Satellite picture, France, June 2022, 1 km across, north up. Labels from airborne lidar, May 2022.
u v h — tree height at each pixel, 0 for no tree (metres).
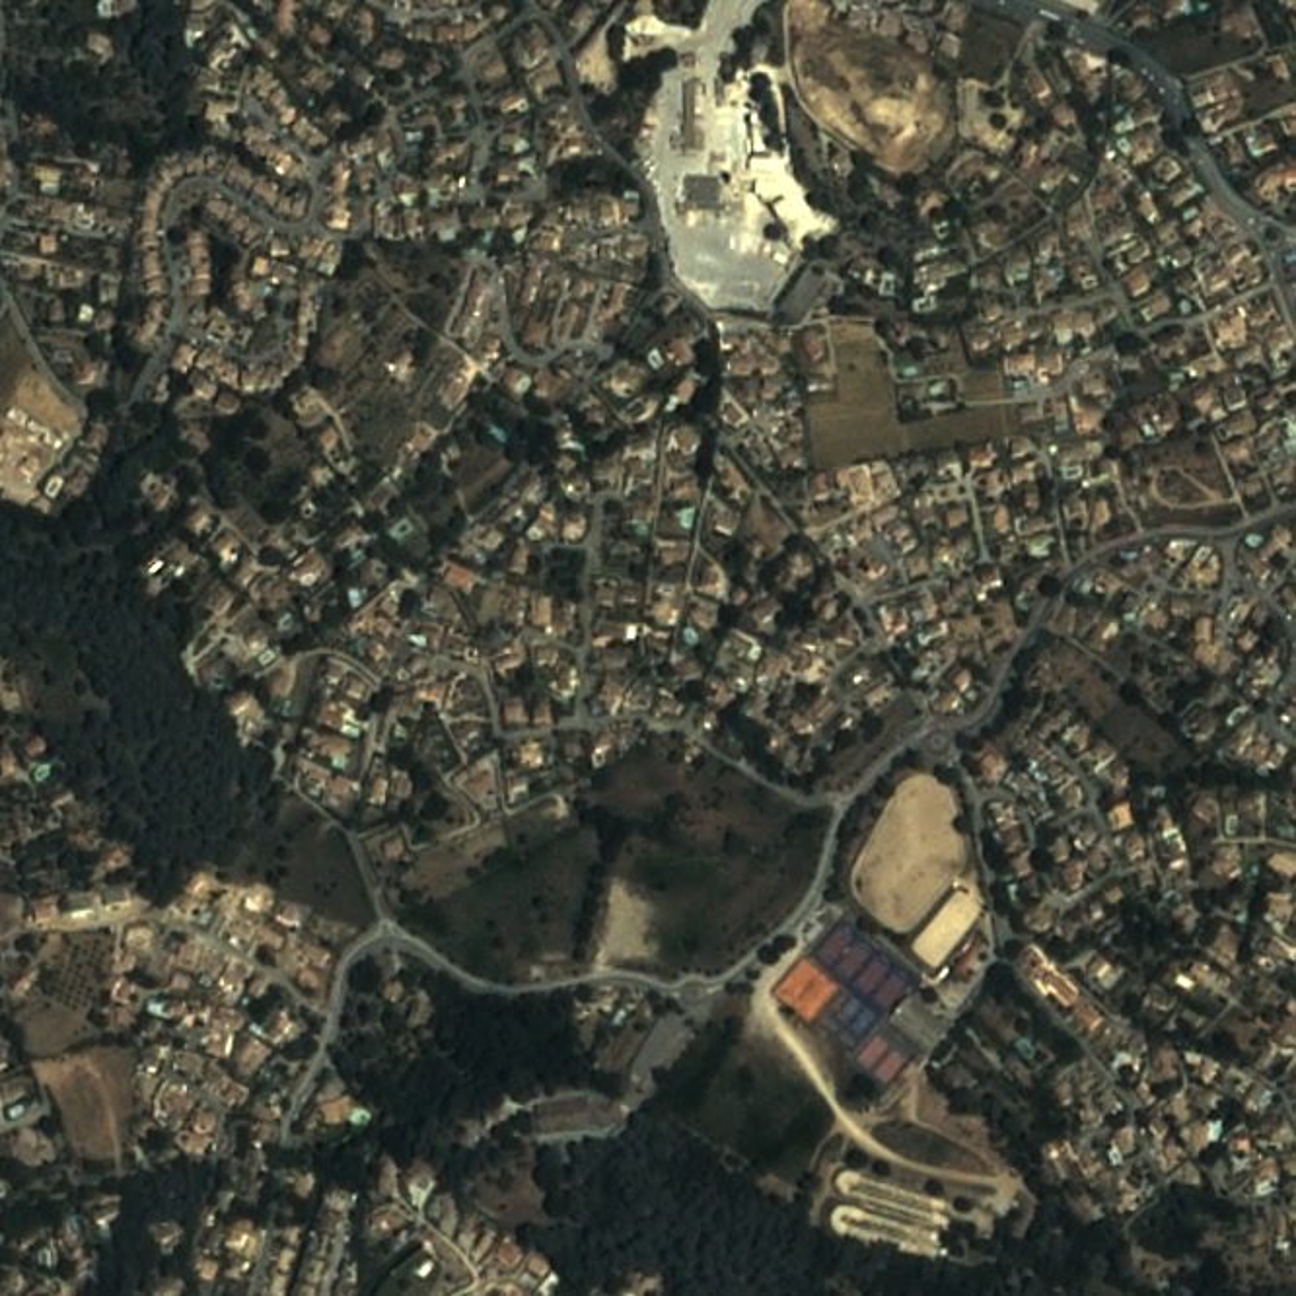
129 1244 12
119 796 19
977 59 0
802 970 0
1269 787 12
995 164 7
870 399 0
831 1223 0
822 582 9
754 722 9
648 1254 27
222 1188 18
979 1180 0
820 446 0
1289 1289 9
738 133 0
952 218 12
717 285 0
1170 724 12
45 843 17
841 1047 0
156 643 23
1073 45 0
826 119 0
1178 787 8
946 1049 7
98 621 24
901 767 6
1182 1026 11
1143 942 14
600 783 10
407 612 12
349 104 6
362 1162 7
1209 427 9
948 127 0
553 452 8
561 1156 20
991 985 12
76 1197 10
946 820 0
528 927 0
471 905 0
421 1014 0
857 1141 0
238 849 19
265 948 7
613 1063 0
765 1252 21
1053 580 16
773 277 0
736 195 0
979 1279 13
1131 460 8
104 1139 0
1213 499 0
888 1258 19
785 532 11
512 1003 9
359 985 14
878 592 0
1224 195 0
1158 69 0
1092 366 0
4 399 0
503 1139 15
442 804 12
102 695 16
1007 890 8
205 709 22
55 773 9
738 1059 0
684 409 13
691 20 9
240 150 13
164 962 0
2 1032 8
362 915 0
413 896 12
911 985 0
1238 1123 13
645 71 15
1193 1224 18
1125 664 0
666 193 0
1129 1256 17
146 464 20
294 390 16
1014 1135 12
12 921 0
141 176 16
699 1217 13
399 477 0
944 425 0
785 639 8
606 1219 16
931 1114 0
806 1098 0
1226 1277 12
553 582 8
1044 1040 9
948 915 0
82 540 19
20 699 0
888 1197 0
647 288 7
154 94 14
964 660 6
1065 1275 11
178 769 23
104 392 10
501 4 6
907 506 0
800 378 5
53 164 6
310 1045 9
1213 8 7
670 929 0
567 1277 23
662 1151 21
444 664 0
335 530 7
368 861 0
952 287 0
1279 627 16
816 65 0
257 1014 14
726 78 9
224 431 13
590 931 11
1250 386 7
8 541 21
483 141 0
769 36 7
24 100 14
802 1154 0
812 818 8
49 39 12
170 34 23
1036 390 0
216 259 14
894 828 0
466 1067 19
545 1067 18
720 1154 6
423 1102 14
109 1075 0
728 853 9
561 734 7
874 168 12
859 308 10
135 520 18
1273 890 6
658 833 11
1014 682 8
